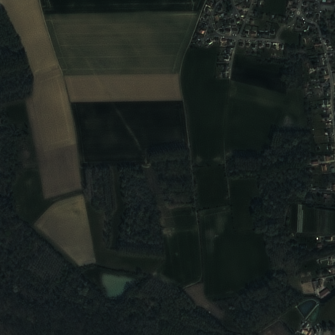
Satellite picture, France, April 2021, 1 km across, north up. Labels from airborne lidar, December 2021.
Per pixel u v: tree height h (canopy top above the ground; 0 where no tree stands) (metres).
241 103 0
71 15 0
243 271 0
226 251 0
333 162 0
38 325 22
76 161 0
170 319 17
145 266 0
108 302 22
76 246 0
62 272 17
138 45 0
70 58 0
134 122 0
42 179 0
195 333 15
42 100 0
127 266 0
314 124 0
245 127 0
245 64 0
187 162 24
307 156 15
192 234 0
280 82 0
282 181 7
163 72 0
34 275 13
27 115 0
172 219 0
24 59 40
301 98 0
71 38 0
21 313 26
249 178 10
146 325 31
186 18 0
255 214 22
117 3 0
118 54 0
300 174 22
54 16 0
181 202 10
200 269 0
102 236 0
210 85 0
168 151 35
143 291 31
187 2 0
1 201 24
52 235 0
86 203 0
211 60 0
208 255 0
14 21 0
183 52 0
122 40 0
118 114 0
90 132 0
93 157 0
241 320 25
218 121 0
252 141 0
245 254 0
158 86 0
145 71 0
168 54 0
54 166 0
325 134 0
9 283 13
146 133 0
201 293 0
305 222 0
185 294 26
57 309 19
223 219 0
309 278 0
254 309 34
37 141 0
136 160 0
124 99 0
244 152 0
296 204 0
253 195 0
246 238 0
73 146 0
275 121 0
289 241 8
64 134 0
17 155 8
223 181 0
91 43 0
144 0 0
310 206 9
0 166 17
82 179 0
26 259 9
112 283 0
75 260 0
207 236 0
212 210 0
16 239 24
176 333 21
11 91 33
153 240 28
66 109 0
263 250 0
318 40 8
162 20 0
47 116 0
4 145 11
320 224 0
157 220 25
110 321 25
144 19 0
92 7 0
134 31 0
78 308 20
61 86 0
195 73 0
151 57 0
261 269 0
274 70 0
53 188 0
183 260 0
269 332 0
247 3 0
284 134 23
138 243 14
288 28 0
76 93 0
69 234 0
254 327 34
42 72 0
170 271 0
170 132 0
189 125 0
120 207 0
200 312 11
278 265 29
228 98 0
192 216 0
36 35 0
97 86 0
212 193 0
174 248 0
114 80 0
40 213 0
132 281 0
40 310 24
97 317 23
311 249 0
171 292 28
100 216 0
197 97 0
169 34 0
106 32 0
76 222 0
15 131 24
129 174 7
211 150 0
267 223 25
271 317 34
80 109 0
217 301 14
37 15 0
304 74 13
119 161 0
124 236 19
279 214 8
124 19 0
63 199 0
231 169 14
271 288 37
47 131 0
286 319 0
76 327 22
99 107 0
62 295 22
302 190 30
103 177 25
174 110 0
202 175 0
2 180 15
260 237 0
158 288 28
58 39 0
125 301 27
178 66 0
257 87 0
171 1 0
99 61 0
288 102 0
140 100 0
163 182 37
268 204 18
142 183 6
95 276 0
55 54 0
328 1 0
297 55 6
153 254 29
